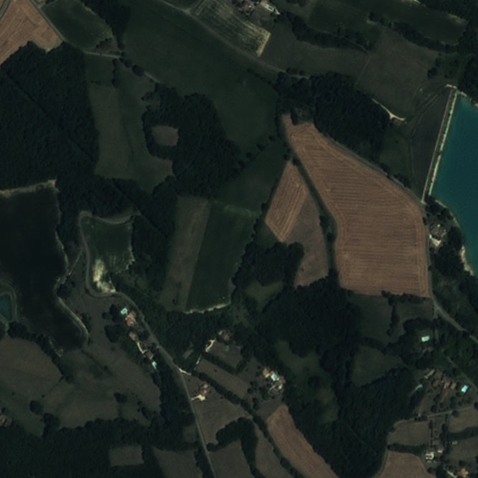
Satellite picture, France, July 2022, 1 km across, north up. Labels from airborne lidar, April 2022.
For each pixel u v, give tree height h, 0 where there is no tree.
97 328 0
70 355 0
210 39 0
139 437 19
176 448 13
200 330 11
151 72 0
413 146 0
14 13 0
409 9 0
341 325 24
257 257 25
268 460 0
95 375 0
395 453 0
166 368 12
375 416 11
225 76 0
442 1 10
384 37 0
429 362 13
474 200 0
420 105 0
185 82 0
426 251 0
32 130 15
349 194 0
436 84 0
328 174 0
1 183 13
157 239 23
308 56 0
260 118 0
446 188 0
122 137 0
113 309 15
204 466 10
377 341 15
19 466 10
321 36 15
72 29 0
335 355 19
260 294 0
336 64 0
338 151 0
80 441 16
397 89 0
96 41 0
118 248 0
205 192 21
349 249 0
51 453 15
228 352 0
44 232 0
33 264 0
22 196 0
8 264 0
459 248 19
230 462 0
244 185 0
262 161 0
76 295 0
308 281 0
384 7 0
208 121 18
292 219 0
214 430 0
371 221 0
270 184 0
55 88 19
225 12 0
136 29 0
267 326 18
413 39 17
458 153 0
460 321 14
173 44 0
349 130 15
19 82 21
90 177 21
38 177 13
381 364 0
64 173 14
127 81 0
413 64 0
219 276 0
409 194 0
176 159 15
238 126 0
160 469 10
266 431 7
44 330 0
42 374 0
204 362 0
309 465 0
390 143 0
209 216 0
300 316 24
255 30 0
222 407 0
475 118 0
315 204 0
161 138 0
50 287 0
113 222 0
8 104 20
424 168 0
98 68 0
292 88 9
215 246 0
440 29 0
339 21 0
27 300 0
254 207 0
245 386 0
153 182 0
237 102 0
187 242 0
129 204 6
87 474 17
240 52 0
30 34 0
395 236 0
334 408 0
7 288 0
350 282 0
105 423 21
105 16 20
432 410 8
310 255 0
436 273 0
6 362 0
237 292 13
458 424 0
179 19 0
